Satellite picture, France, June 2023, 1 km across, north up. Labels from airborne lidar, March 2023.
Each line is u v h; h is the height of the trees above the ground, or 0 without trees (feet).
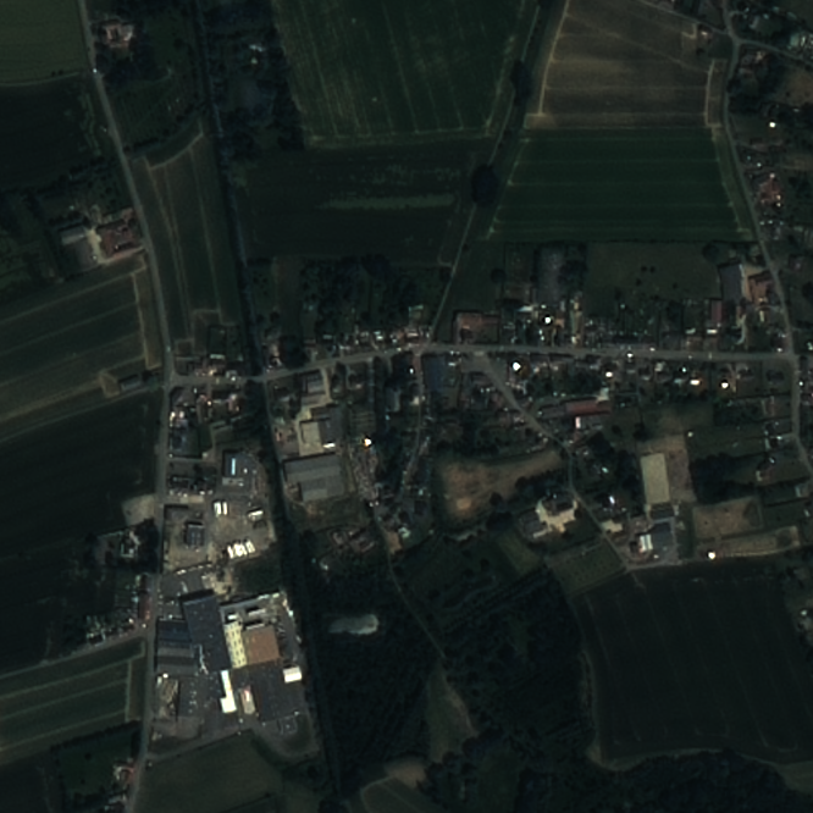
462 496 0
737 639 0
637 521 0
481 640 54
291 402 22
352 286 64
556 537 0
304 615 46
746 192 0
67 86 0
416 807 0
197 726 0
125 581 0
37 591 0
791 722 0
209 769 0
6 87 0
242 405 35
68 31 0
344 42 0
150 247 0
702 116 0
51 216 0
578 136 0
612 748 0
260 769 0
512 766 0
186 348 0
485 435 25
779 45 21
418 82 0
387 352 0
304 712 0
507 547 0
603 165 0
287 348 41
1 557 0
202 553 0
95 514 0
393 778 0
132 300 0
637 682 0
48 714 0
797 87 0
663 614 0
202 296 0
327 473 0
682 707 0
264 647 0
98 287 0
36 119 0
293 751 0
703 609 0
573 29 0
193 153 0
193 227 0
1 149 0
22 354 0
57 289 0
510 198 0
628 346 0
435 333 0
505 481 0
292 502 0
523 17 0
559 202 0
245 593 0
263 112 55
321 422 0
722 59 0
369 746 49
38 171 0
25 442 0
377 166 0
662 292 0
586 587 0
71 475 0
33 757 0
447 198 0
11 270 0
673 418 0
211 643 0
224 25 84
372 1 0
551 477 30
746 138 0
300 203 0
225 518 0
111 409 0
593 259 0
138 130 0
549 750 0
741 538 0
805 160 0
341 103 0
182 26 0
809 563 45
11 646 0
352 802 0
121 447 0
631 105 0
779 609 0
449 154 0
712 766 83
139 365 0
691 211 0
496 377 0
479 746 61
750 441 0
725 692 0
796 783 0
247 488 0
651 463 0
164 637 0
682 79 0
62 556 0
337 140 0
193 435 0
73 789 0
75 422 0
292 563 61
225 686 0
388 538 0
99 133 0
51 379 0
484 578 0
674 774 42
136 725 31
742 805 61
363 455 0
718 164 0
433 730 0
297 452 0
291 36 0
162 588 0
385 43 0
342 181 0
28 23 0
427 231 0
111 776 0
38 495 0
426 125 0
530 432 32
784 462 0
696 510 0
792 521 0
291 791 0
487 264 0
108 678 0
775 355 0
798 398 0
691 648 0
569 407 0
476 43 0
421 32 0
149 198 0
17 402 0
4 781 0
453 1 0
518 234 0
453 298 0
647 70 0
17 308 0
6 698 0
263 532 0
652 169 0
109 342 0
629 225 0
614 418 0
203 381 0
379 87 0
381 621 25
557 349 0
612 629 0
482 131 0
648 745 0
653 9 0
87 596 0
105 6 0
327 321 30
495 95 0
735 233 0
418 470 0
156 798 0
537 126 0
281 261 0
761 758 0
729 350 0
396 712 31
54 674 0
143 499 0
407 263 0
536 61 0
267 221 0
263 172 0
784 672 0
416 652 48
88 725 0
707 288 0
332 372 0
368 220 0
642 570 0
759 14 18
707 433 0
